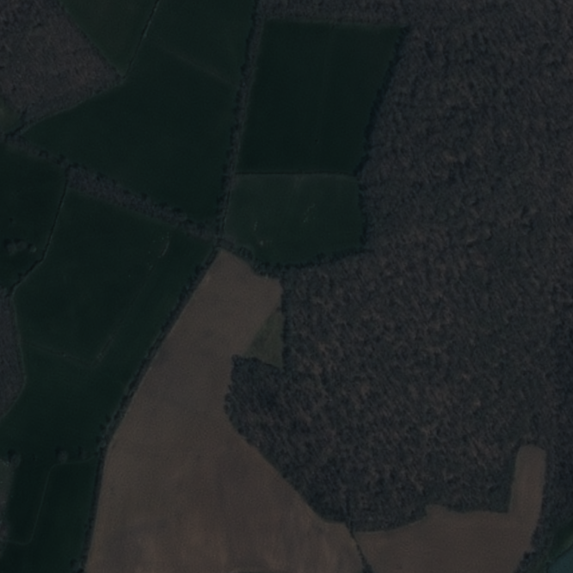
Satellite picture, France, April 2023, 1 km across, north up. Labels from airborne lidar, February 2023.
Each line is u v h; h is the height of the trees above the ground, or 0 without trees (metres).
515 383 13
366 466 23
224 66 0
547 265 24
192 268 0
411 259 23
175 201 0
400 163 26
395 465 16
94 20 0
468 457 16
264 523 0
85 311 0
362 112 0
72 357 0
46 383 0
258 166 0
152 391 0
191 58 0
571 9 25
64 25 13
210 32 0
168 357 0
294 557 0
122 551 0
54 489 0
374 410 25
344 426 20
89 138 0
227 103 0
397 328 22
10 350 13
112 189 15
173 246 0
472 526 0
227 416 9
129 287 0
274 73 0
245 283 0
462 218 18
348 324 13
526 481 0
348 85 0
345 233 0
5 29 18
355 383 13
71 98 14
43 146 0
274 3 22
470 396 15
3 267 0
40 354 0
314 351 20
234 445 0
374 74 0
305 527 0
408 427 12
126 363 0
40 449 0
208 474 0
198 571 0
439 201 19
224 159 0
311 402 25
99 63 14
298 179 0
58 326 0
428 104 20
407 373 14
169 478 0
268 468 0
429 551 0
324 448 24
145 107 0
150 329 0
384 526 17
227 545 0
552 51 26
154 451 0
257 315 0
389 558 0
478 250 15
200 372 0
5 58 19
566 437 18
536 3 23
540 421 20
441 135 23
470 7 28
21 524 0
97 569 0
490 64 23
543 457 0
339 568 0
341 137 0
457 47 18
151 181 0
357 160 0
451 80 23
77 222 0
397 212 22
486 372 22
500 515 14
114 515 0
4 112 0
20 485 0
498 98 26
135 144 0
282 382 23
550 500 14
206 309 0
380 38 0
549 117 26
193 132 0
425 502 20
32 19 23
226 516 0
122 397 0
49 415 0
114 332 0
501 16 26
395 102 24
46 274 0
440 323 23
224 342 0
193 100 0
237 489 0
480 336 15
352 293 24
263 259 0
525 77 25
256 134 0
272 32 0
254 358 0
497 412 13
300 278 22
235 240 0
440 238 23
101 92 8
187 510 0
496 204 15
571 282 24
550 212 13
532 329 15
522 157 24
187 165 0
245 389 23
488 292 15
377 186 23
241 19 0
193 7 0
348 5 22
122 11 0
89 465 0
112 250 0
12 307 12
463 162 27
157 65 0
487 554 0
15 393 13
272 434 22
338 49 0
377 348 18
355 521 15
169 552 0
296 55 0
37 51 13
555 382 16
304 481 20
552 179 26
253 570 0
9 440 0
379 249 24
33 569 0
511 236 20
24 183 0
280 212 0
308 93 0
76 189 10
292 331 11
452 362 22
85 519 0
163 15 0
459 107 20
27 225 0
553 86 26
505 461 14
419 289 27
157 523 0
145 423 0
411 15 24
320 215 0
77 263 0
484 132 27
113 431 9
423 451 20
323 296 22
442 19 27
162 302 0
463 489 12
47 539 0
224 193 7
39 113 13
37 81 14
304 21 16
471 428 20
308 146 0
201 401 0
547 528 18
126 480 0
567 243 24
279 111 0
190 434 0
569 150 19
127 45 0
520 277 21
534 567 17
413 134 26
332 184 0
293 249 0
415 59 25
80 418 0
